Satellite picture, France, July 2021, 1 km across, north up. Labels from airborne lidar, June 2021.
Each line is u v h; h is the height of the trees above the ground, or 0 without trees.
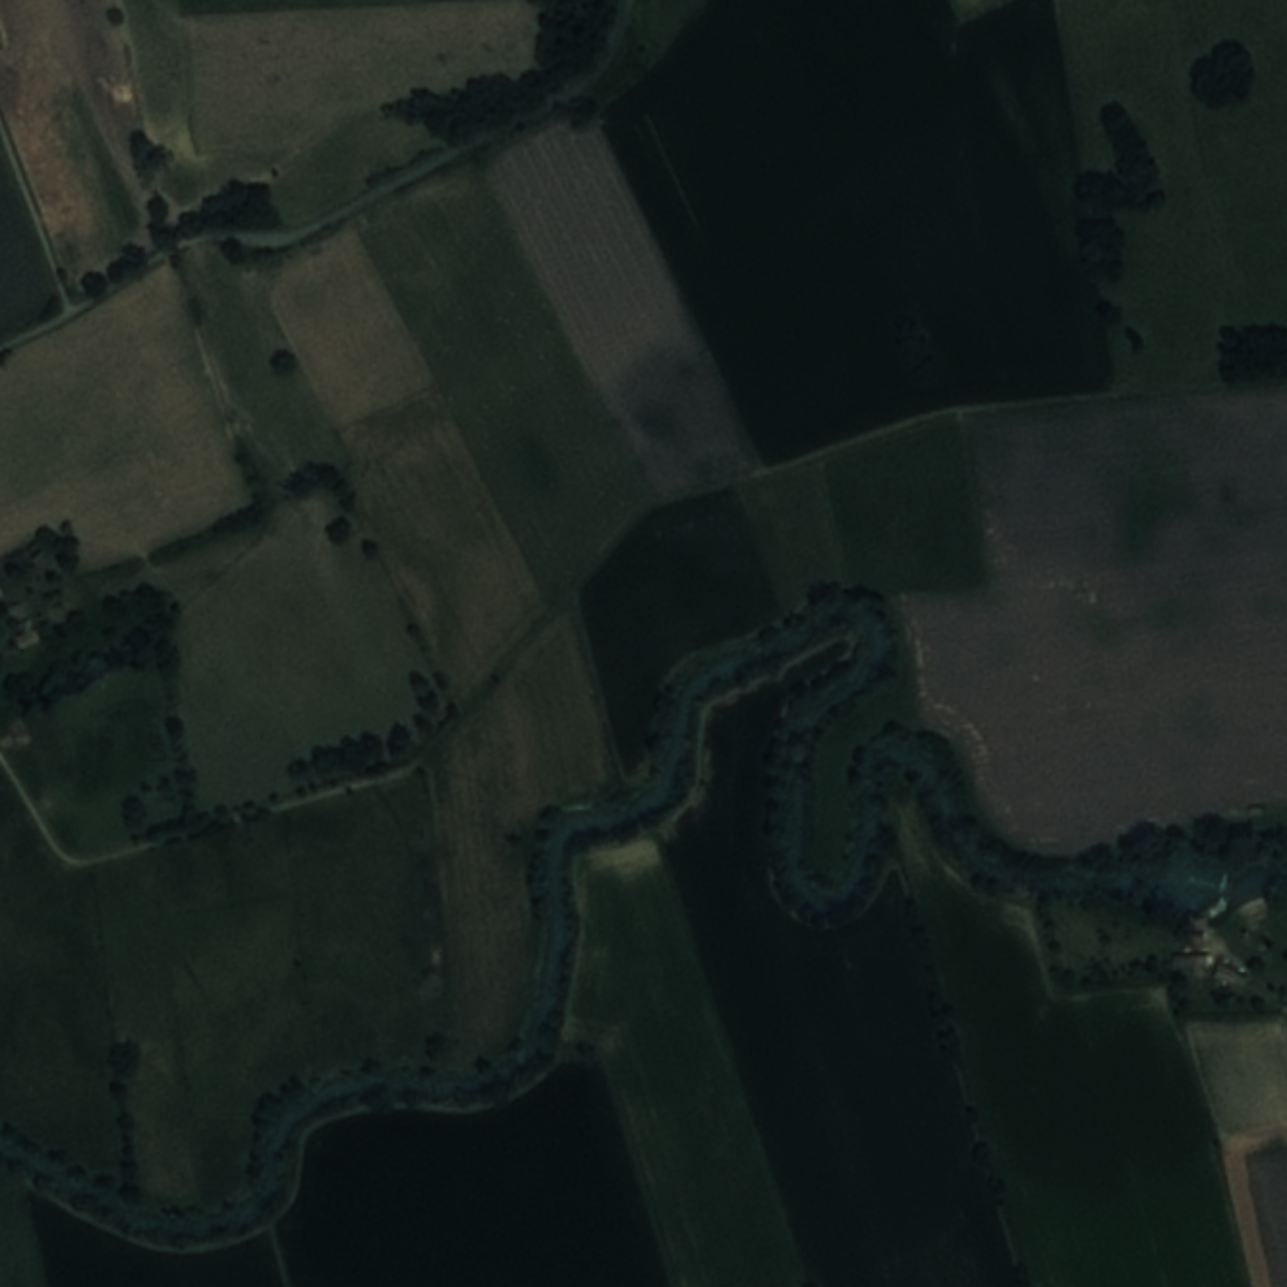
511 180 0
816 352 0
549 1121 0
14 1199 0
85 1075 0
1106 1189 0
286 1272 0
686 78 0
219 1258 0
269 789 0
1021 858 8
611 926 0
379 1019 0
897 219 0
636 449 0
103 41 0
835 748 0
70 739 0
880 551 0
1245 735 0
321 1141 0
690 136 0
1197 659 0
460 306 0
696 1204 0
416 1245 0
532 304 0
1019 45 0
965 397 0
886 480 0
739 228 0
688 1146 0
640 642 0
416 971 0
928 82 0
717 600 0
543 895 9
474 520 0
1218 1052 0
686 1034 0
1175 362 0
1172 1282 0
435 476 0
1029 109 0
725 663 0
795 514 0
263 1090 0
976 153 0
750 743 0
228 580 0
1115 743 0
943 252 0
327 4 0
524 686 0
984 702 0
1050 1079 0
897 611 0
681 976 0
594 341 0
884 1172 0
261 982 0
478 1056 0
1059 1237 0
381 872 0
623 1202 0
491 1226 0
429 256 0
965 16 0
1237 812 0
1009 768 0
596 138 0
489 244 0
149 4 0
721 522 0
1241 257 0
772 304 0
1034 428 0
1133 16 0
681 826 0
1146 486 0
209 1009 0
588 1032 0
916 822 0
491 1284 0
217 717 0
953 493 0
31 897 0
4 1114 0
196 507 0
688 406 0
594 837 13
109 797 0
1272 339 15
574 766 0
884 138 0
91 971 0
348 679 0
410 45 0
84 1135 0
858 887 6
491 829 0
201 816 11
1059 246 0
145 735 0
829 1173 0
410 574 0
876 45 0
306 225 0
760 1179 0
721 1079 0
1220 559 0
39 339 0
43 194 0
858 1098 0
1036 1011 0
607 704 0
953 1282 0
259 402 0
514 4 0
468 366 0
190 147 0
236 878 0
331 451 0
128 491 0
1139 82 0
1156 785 0
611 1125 0
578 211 0
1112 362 0
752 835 0
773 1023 0
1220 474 0
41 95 0
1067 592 0
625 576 0
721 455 0
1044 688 0
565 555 0
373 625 0
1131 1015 0
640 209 0
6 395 0
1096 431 0
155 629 8
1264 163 0
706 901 0
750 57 0
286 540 0
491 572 0
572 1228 0
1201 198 0
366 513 0
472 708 0
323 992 0
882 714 0
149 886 0
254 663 0
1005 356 0
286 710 0
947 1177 0
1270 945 10
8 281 0
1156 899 7
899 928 0
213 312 0
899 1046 0
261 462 0
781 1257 0
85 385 0
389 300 0
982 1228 0
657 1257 0
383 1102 15
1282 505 0
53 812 0
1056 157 0
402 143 0
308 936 0
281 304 0
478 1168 0
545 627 0
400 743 15
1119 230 20
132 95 0
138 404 0
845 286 0
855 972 0
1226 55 16
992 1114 0
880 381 0
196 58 0
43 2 0
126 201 0
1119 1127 0
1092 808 0
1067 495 0
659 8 0
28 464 0
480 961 0
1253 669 0
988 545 0
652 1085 0
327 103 0
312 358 0
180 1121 0
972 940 0
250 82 0
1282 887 17
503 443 0
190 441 0
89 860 0
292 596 0
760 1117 0
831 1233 0
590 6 12
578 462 0
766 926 0
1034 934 0
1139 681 0
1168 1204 0
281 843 0
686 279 0
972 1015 0
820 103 0
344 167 0
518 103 14
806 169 0
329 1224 0
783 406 0
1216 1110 0
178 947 0
